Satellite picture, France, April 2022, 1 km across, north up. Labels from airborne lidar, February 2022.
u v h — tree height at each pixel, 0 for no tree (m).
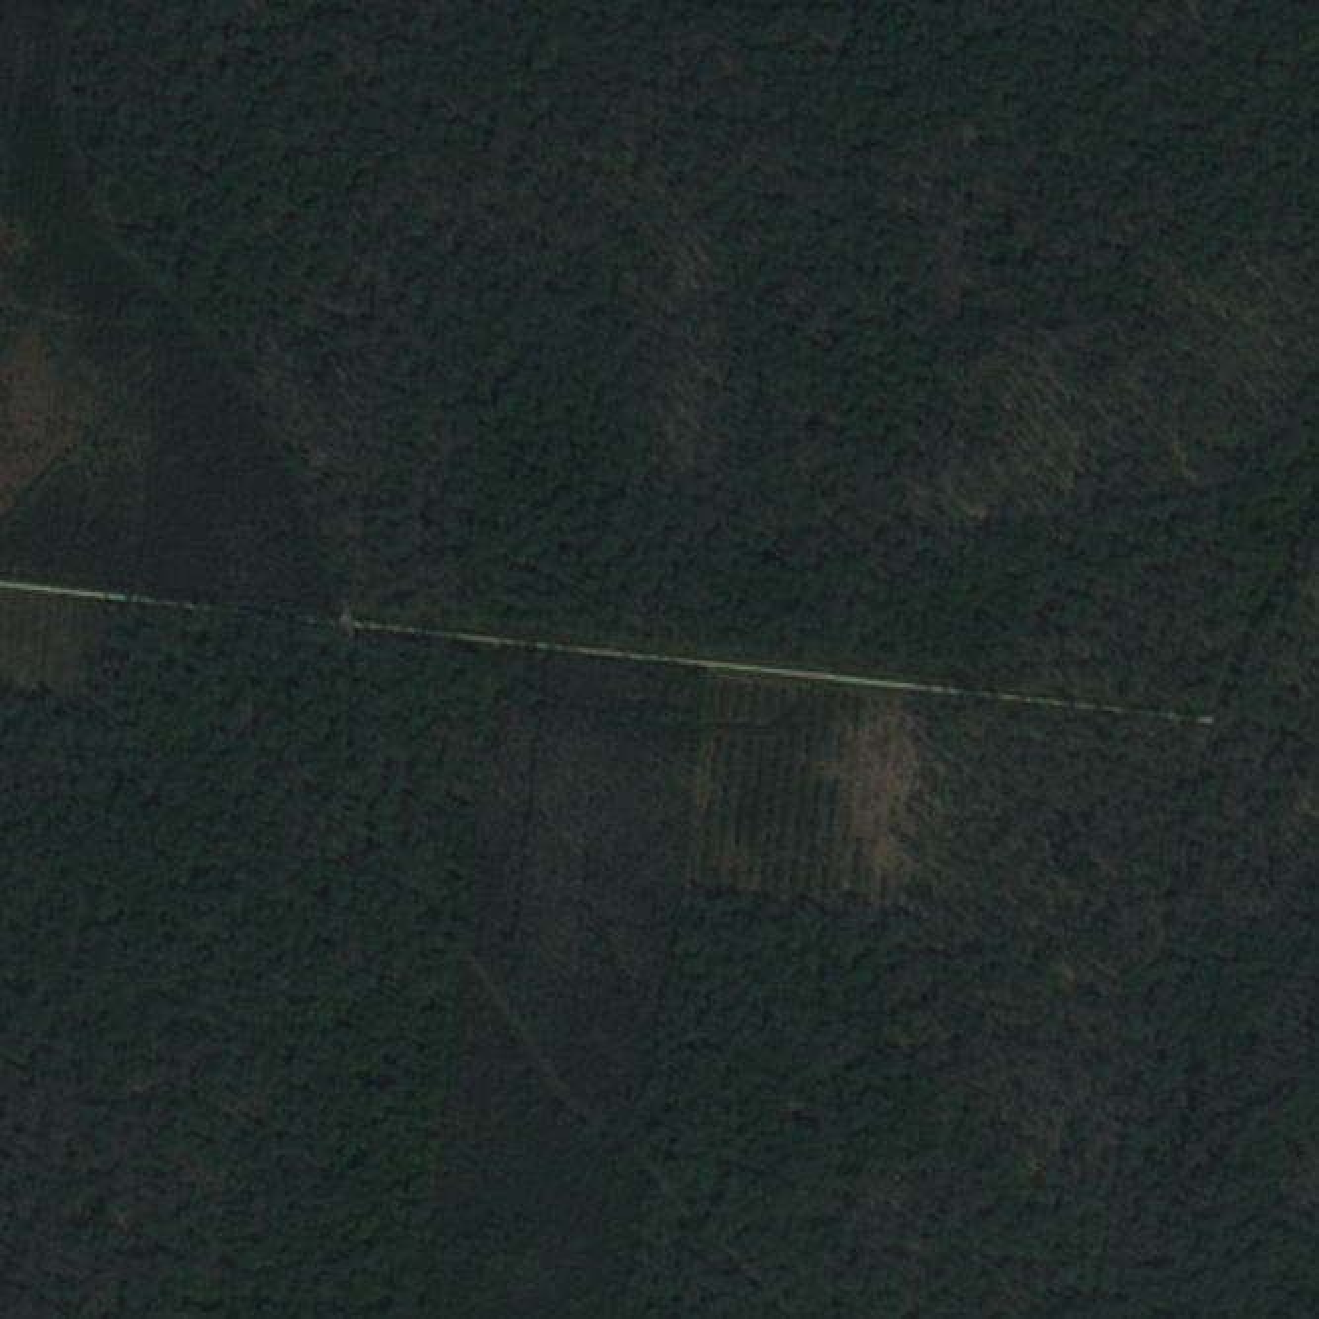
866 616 26
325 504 19
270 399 27
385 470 24
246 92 23
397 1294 26
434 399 22
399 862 10
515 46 21
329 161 23
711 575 27
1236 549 26
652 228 26
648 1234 28
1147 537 27
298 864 22
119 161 23
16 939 21
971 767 25
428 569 24
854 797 0
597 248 28
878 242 25
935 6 26
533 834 16
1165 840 27
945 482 29
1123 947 21
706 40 22
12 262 5
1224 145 25
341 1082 23
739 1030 29
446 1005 24
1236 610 25
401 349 23
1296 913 16
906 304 22
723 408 28
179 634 28
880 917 27
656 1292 18
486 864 17
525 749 17
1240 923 18
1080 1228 25
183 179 28
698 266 23
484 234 26
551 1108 14
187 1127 24
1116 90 23
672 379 25
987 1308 18
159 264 26
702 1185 24
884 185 23
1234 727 16
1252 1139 26
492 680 20
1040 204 26
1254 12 24
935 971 26
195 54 22
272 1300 22
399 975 20
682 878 12
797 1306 26
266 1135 20
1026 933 20
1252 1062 25
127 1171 23
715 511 26
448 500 21
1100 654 24
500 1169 16
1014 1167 23
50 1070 26
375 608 23
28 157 7
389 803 18
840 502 22
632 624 26
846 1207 18
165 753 28
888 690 0
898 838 0
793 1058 23
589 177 26
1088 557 21
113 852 26
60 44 6
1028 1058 21
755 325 26
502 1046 13
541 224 25
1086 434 25
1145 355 26
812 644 23
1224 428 26
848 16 23
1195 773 25
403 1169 22
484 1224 14
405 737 20
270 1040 23
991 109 25
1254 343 26
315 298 21
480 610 27
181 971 24
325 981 23
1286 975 20
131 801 22
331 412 24
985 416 21
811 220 25
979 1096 24
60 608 0
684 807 11
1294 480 22
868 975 18
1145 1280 26
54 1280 25
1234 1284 31
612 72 23
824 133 26
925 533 25
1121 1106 27
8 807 19
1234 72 25
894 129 25
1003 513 21
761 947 26
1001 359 27
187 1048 31
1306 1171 18
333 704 24
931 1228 22
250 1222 25
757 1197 24
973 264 20
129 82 27
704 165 26
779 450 28
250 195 22
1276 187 23
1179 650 23
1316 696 23
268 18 26
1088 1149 21
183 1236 27
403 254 25
